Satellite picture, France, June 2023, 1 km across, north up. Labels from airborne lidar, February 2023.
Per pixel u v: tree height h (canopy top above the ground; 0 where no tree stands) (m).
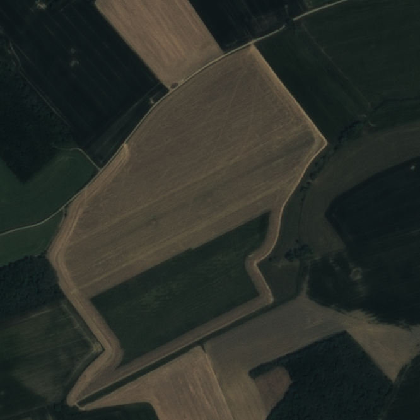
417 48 0
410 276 0
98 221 0
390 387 12
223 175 0
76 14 0
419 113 0
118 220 0
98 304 0
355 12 0
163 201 0
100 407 0
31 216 0
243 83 0
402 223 0
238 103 0
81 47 0
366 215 0
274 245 0
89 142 0
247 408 0
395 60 0
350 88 0
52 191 0
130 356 0
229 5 0
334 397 23
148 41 0
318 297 0
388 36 0
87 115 0
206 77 0
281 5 0
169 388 0
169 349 0
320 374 20
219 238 0
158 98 0
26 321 0
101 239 0
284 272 0
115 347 0
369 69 0
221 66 0
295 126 0
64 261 0
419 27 0
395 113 0
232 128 0
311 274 0
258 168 0
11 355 0
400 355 0
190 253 0
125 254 0
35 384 0
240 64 0
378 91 0
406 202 0
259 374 13
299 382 21
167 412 0
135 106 0
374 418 16
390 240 0
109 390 0
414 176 0
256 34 0
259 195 0
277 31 0
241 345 0
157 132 0
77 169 0
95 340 0
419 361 0
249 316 0
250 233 0
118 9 0
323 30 0
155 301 0
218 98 0
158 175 0
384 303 0
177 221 0
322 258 0
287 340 0
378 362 0
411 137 0
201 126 0
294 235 0
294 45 0
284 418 19
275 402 0
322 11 0
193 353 0
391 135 0
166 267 0
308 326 0
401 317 0
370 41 0
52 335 0
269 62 0
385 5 0
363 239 0
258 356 0
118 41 0
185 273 0
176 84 0
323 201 0
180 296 0
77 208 0
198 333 0
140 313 0
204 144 0
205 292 0
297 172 0
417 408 0
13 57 0
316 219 0
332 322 0
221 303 0
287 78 0
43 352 0
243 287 0
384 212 0
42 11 0
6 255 0
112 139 0
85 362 0
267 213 0
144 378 0
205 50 0
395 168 0
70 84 0
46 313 0
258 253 0
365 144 0
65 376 0
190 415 0
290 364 22
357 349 16
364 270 0
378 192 0
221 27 0
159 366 0
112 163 0
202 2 0
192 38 0
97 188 0
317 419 23
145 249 0
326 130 0
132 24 0
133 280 0
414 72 0
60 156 0
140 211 0
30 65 0
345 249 0
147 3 0
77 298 0
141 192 0
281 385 0
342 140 17
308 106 0
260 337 0
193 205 0
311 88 0
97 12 0
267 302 0
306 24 0
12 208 0
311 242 0
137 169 0
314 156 0
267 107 0
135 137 0
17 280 26
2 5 0
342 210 0
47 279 22
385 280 0
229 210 0
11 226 0
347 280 0
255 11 0
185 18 0
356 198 0
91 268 0
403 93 0
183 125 0
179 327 0
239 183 0
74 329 0
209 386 0
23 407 0
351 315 0
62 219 0
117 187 0
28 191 0
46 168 0
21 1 0
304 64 0
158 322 0
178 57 0
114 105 0
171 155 0
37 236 0
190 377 0
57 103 0
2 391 0
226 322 0
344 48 0
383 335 0
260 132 0
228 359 0
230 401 0
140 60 0
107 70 0
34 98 21
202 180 0
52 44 0
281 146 0
